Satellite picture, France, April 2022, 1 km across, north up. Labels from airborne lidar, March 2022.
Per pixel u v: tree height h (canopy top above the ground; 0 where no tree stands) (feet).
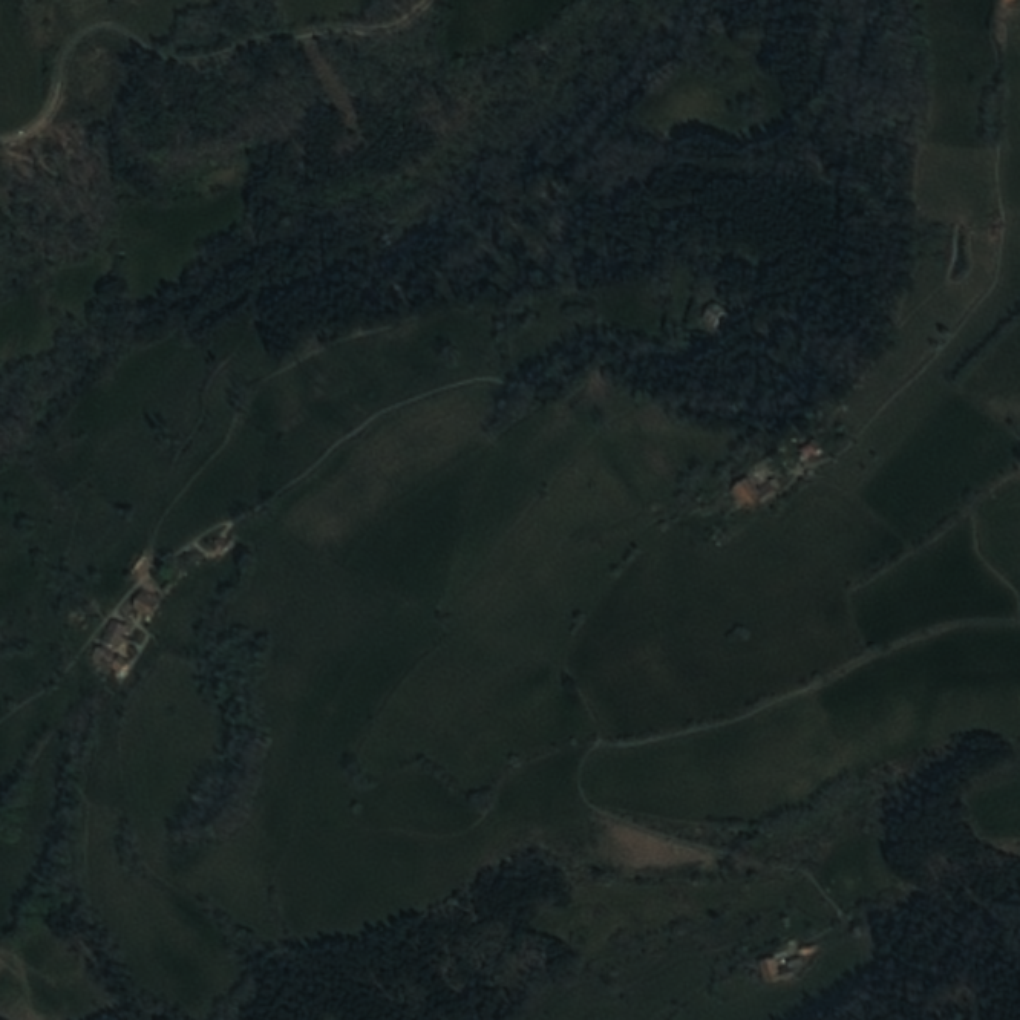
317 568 0
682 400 65
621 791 0
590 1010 0
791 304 77
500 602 0
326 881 0
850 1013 76
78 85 0
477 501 0
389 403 0
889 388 0
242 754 66
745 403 88
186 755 0
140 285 0
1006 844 0
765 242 78
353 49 37
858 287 94
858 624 0
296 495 0
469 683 0
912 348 0
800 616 0
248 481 0
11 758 0
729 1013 0
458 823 0
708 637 0
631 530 0
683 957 0
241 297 101
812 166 86
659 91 95
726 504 0
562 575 0
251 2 69
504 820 0
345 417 0
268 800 0
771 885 0
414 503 0
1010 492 0
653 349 76
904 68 99
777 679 0
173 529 0
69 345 68
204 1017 0
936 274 0
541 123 89
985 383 0
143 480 0
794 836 57
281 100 76
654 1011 0
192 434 0
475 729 0
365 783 68
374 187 81
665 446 0
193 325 92
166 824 0
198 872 0
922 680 0
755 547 0
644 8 80
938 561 0
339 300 101
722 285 73
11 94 0
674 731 0
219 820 61
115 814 0
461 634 0
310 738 0
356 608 0
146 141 75
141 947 0
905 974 73
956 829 74
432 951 74
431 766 34
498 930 53
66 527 0
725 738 0
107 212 93
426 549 0
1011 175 0
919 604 0
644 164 96
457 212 74
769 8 100
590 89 76
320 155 84
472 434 0
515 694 0
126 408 0
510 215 41
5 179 0
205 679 23
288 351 67
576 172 62
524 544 0
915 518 0
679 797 0
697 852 0
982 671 0
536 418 44
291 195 76
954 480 0
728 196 77
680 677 0
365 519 0
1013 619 0
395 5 92
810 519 0
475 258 109
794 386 73
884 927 72
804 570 0
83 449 0
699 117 0
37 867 0
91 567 0
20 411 106
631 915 0
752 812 0
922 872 77
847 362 75
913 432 0
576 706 0
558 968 87
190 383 0
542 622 0
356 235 95
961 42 0
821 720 0
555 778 0
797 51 93
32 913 59
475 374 0
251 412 41
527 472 0
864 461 0
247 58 84
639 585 0
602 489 0
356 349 0
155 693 0
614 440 0
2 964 0
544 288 75
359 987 69
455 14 61
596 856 0
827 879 0
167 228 0
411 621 0
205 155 89
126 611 0
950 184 0
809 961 0
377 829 0
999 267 0
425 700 0
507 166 104
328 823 0
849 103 97
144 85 78
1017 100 0
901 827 75
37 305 0
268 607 0
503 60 79
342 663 0
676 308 46
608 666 0
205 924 0
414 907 0
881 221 66
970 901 85
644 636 0
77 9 0
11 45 0
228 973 0
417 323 0
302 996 85
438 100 90
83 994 0
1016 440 0
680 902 0
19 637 0
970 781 75
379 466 0
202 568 0
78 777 27
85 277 0
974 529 0
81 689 0
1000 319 0
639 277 107
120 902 0
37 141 0
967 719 0
